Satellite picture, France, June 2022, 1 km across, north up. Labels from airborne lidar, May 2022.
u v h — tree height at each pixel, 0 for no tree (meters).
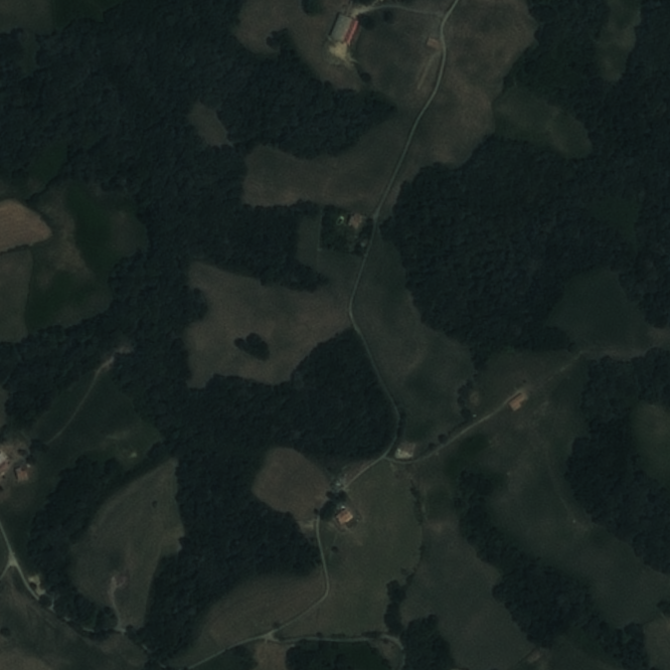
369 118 22
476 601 0
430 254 17
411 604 0
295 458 0
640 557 13
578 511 0
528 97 0
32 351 21
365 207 0
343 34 0
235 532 21
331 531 0
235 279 0
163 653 21
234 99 20
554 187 17
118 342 12
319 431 23
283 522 19
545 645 11
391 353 0
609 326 0
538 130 0
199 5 16
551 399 0
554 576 20
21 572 0
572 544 0
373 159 0
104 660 0
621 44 0
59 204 0
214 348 0
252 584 0
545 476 0
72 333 23
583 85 8
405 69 0
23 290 0
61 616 9
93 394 0
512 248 15
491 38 0
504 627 0
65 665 0
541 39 17
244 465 14
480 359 11
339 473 0
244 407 20
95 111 23
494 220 24
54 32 8
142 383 19
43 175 0
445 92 0
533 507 0
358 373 9
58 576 19
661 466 0
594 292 0
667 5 26
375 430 16
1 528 0
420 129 0
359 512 0
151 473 0
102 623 16
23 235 0
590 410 17
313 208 15
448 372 0
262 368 0
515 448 0
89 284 0
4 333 0
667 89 27
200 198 18
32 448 10
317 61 0
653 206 13
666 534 24
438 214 19
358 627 0
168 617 13
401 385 0
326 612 0
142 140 27
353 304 0
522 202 19
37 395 20
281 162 0
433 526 0
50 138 18
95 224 0
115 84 28
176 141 21
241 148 19
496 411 0
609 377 19
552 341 12
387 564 0
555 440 0
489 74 0
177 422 26
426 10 0
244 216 16
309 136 26
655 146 27
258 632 0
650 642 0
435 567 0
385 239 8
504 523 0
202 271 0
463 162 0
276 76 20
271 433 14
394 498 0
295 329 0
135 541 0
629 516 27
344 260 0
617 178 21
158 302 24
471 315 13
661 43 25
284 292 0
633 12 0
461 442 0
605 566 0
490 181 22
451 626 0
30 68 0
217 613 0
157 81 28
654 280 18
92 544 0
